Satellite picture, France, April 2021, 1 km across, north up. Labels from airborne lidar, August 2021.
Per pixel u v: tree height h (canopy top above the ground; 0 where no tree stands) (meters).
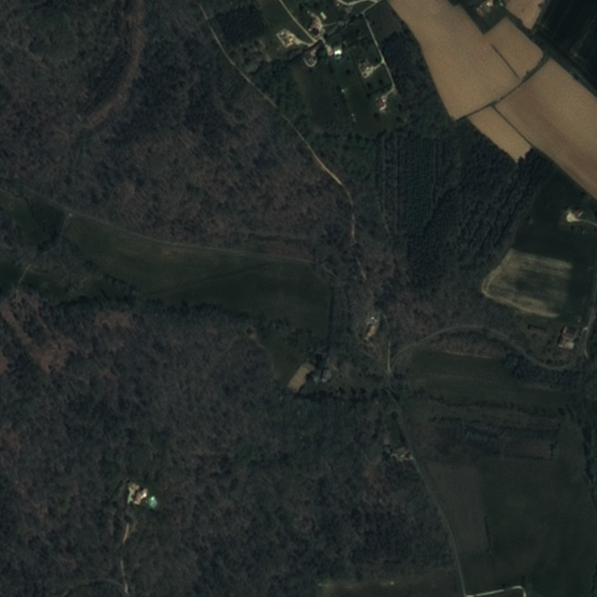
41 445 19
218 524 23
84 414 26
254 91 15
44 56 17
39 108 17
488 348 14
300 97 19
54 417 16
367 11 0
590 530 0
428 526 17
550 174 15
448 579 0
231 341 21
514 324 14
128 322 0
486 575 0
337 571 20
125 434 16
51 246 18
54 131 13
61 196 21
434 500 10
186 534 17
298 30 0
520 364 14
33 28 21
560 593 0
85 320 0
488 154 15
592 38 0
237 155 25
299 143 20
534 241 0
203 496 12
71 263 25
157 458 15
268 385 21
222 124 18
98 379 22
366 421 26
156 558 17
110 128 14
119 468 10
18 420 17
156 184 12
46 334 0
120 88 22
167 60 26
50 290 0
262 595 25
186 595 13
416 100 8
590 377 12
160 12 15
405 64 18
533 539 0
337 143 17
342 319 19
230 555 24
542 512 0
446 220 21
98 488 20
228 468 22
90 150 17
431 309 14
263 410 20
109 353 22
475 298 16
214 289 0
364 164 14
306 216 12
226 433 18
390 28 0
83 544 14
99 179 13
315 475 24
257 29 18
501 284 0
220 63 14
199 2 13
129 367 14
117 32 14
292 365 0
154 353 17
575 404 13
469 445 0
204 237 15
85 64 9
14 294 16
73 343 0
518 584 0
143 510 13
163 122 12
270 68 17
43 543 23
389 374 0
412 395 23
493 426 8
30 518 21
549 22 0
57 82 12
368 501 10
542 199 0
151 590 13
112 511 16
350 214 21
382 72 0
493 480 0
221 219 13
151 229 12
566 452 0
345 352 23
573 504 0
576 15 0
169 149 10
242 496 23
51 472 8
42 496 15
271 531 25
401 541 21
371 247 16
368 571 10
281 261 0
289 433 26
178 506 11
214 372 14
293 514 12
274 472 25
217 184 13
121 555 12
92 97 14
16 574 23
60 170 10
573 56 0
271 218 15
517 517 0
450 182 17
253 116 18
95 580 15
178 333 20
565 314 0
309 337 12
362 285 16
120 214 15
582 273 0
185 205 10
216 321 22
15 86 21
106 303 25
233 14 15
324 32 6
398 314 13
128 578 10
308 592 21
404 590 0
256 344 14
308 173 13
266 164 20
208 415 19
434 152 14
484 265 14
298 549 24
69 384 17
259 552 12
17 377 24
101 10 24
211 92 15
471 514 0
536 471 0
